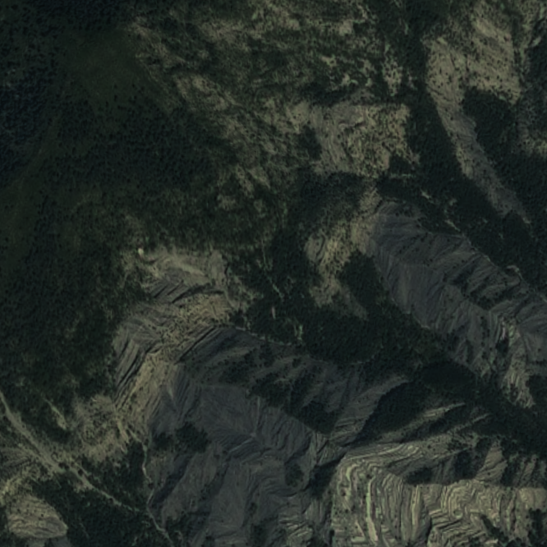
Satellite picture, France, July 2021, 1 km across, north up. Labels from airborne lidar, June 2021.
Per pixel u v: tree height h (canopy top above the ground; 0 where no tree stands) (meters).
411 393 9
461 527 0
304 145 8
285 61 9
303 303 10
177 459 0
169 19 8
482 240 8
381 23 6
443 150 9
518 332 0
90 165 16
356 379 0
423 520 0
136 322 0
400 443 0
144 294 9
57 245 16
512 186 10
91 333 8
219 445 0
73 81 7
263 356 8
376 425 9
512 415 6
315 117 0
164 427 0
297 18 6
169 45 6
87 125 19
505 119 11
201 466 0
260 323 9
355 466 0
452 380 11
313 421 11
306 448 0
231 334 0
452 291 0
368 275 8
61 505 8
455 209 8
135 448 7
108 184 13
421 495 0
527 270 6
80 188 8
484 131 8
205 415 0
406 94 7
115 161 18
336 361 11
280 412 0
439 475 0
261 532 8
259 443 0
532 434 9
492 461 0
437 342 7
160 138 18
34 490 6
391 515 0
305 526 0
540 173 9
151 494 0
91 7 15
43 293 14
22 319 16
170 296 0
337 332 11
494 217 13
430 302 0
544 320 0
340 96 9
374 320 9
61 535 0
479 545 7
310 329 12
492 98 8
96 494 6
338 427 7
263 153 8
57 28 9
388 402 13
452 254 0
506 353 7
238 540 0
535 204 9
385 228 0
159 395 0
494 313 0
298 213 8
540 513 18
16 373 9
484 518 7
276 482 0
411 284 0
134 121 12
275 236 6
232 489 0
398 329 8
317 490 6
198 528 0
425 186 15
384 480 0
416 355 9
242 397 0
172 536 10
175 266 0
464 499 0
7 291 13
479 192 9
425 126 9
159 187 7
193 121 12
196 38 11
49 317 11
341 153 0
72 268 12
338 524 0
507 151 7
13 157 13
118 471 8
